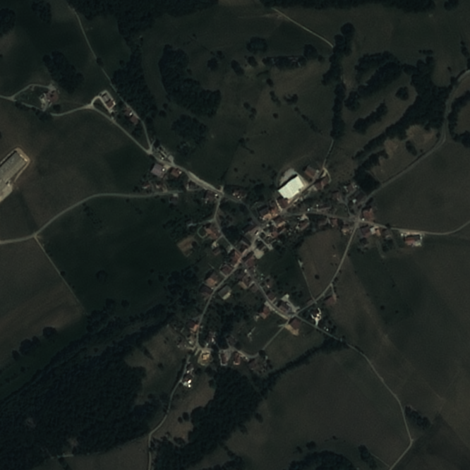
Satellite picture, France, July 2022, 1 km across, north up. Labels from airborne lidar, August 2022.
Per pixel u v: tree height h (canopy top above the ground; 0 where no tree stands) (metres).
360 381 0
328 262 0
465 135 8
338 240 0
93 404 20
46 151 0
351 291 0
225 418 16
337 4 20
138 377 14
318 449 0
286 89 0
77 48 0
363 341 0
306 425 0
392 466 0
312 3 18
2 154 0
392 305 0
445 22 0
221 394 15
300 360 17
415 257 0
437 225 0
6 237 0
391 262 0
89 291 0
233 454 15
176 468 16
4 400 6
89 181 0
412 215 0
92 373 16
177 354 0
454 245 0
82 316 0
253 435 0
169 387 0
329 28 0
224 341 13
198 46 0
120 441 19
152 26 14
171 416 0
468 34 0
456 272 0
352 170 0
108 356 12
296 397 0
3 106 0
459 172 0
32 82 0
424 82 19
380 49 0
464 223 0
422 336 0
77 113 0
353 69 0
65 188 0
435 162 0
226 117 0
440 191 0
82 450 11
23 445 17
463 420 0
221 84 0
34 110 11
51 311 0
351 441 0
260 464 0
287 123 0
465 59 0
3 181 0
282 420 0
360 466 0
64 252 0
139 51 10
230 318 14
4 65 0
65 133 0
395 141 0
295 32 0
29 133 0
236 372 11
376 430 0
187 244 0
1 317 0
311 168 0
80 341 13
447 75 0
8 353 0
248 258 0
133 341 21
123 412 15
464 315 0
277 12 0
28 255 0
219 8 0
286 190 0
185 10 20
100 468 0
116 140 0
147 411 25
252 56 7
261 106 0
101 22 0
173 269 0
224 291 0
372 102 0
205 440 12
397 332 0
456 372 0
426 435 0
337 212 0
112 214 0
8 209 0
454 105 15
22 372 9
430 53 9
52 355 0
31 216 0
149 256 0
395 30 0
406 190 0
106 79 0
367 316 0
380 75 18
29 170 0
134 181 0
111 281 0
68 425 23
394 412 0
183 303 20
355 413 0
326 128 0
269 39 0
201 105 12
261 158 0
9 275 0
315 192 0
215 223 0
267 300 0
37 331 0
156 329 15
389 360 0
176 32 0
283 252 12
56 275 0
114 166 0
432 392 0
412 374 0
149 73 0
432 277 0
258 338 0
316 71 0
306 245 0
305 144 0
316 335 0
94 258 0
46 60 17
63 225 0
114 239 0
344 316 0
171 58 20
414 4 21
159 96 0
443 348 0
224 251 19
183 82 16
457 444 0
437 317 0
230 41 0
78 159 0
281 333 0
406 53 0
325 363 0
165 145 0
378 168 0
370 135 0
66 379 17
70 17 0
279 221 0
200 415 13
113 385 20
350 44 9
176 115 0
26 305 0
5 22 16
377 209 0
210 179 0
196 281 20
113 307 15
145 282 0
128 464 0
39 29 0
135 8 22
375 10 0
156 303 0
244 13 0
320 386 0
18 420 11
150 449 10
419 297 0
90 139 0
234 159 0
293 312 0
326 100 0
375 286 0
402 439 0
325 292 0
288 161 0
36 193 0
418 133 0
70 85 20
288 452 0
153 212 0
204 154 0
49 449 17
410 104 0
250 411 17
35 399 10
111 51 0
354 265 0
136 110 10
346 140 0
